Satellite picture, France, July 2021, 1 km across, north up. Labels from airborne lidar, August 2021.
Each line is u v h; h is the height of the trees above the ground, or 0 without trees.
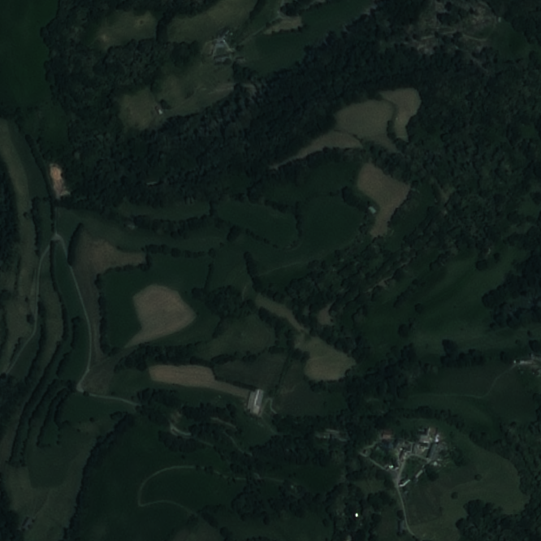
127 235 0
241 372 0
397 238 0
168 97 0
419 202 10
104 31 0
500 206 24
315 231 0
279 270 0
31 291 0
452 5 0
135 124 0
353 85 10
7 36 0
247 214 0
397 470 0
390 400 9
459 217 18
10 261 21
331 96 15
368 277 18
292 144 23
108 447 14
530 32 27
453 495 10
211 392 0
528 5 20
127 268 9
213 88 0
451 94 23
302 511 18
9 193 20
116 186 20
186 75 0
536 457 17
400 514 13
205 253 8
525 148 23
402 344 0
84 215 0
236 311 20
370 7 0
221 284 0
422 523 0
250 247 0
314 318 19
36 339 0
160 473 0
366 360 11
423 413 19
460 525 11
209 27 0
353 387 29
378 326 0
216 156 22
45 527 0
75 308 0
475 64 24
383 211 0
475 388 0
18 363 0
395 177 13
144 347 12
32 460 0
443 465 0
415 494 0
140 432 0
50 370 7
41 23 0
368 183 0
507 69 22
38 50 0
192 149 23
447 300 0
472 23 0
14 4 0
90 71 23
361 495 14
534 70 12
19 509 0
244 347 0
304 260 0
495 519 18
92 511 0
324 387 18
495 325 13
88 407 0
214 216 17
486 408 0
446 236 22
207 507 8
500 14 19
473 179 8
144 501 0
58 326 0
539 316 28
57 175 0
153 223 18
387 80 15
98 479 0
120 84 28
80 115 26
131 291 0
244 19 0
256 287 13
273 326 12
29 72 0
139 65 27
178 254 18
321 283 22
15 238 21
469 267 0
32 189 0
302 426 11
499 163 9
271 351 12
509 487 0
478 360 19
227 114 24
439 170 25
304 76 21
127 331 0
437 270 22
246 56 0
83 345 0
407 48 19
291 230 0
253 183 6
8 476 0
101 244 0
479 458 0
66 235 0
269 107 21
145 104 0
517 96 19
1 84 0
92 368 0
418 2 29
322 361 0
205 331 0
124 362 15
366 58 12
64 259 0
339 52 17
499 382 0
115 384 0
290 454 20
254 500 21
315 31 0
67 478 0
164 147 24
